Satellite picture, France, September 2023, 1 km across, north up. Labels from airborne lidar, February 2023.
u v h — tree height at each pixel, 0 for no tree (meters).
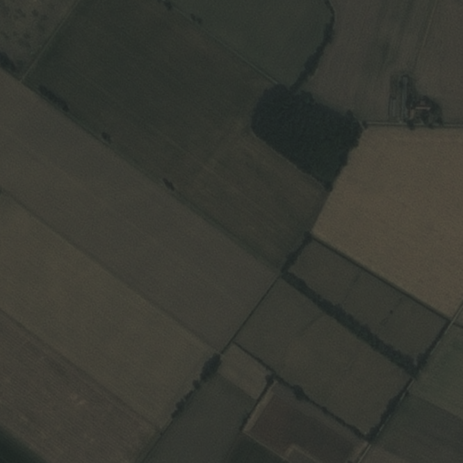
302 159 15
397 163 0
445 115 0
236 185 0
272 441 0
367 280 0
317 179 7
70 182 0
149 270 0
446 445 0
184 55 0
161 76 0
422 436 0
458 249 0
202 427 0
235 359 0
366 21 0
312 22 0
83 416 0
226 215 0
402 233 0
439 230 0
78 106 0
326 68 0
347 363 0
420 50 0
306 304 0
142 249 0
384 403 0
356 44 0
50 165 0
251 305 0
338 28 0
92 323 0
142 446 0
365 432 0
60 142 0
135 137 0
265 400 0
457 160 0
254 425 0
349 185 0
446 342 0
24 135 0
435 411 0
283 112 15
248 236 0
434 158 0
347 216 0
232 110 0
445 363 0
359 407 0
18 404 0
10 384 0
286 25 0
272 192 0
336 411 0
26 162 0
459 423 0
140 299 0
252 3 0
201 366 0
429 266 0
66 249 0
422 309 0
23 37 0
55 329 0
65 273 0
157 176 0
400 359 14
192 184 0
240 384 0
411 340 0
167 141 0
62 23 0
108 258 0
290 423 0
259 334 0
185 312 0
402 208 0
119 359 0
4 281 0
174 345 0
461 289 0
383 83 0
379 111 0
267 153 0
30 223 0
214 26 0
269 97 20
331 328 0
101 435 0
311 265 0
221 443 0
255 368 0
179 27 0
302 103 20
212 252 0
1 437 0
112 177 0
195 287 0
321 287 0
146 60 0
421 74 0
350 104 0
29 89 0
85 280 0
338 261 0
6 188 0
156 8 0
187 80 0
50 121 0
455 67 0
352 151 0
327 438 0
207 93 0
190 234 0
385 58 0
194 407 0
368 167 0
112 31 0
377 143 0
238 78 0
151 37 0
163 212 0
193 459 0
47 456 0
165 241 0
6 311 0
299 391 16
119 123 0
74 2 0
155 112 0
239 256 0
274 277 0
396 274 0
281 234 0
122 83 0
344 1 0
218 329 0
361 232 0
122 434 0
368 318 0
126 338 0
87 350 0
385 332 0
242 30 0
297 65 0
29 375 0
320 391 0
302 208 0
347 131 15
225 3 0
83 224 0
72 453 0
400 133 0
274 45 0
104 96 0
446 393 0
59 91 0
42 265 0
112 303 0
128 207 0
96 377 0
